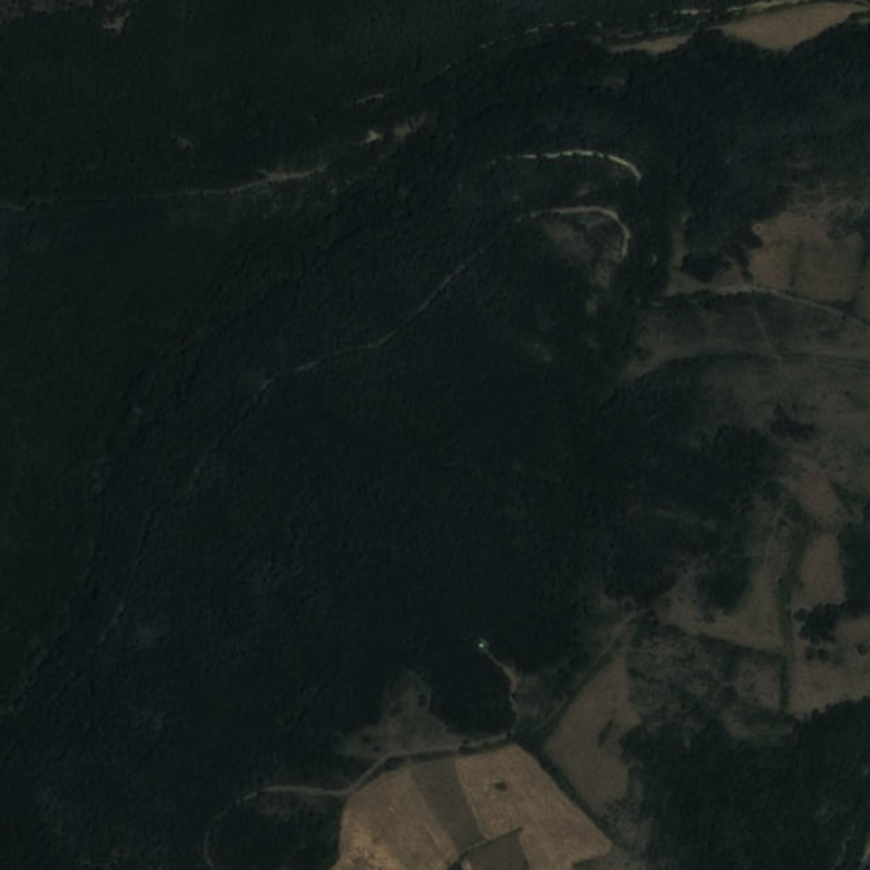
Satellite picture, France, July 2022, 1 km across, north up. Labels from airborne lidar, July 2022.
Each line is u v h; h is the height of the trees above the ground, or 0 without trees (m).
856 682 0
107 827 8
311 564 16
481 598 10
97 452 21
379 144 13
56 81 17
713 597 9
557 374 12
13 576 11
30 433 10
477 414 11
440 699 8
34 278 10
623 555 8
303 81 15
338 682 11
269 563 17
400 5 10
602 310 9
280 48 18
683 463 7
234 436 12
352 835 0
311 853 9
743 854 16
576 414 15
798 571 0
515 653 13
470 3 10
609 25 12
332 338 11
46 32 13
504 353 8
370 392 13
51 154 17
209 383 15
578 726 0
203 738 11
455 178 10
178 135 19
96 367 15
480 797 0
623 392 11
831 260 0
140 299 16
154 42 19
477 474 8
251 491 12
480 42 19
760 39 0
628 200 11
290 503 14
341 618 10
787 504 0
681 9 11
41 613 7
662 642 0
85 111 17
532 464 11
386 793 0
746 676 0
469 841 0
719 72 20
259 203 8
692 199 13
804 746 13
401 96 11
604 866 0
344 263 15
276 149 14
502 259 11
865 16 7
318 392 11
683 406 11
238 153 16
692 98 13
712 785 18
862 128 8
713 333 0
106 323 12
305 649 11
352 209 15
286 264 11
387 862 0
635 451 11
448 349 8
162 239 8
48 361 13
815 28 0
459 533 8
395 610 10
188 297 14
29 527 11
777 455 0
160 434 18
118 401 14
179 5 14
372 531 15
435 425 8
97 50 22
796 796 14
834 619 11
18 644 11
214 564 13
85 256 11
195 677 13
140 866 9
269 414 12
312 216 13
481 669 10
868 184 0
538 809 0
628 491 8
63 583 20
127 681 12
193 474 10
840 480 0
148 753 9
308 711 10
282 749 13
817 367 0
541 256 6
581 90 19
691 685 0
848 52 15
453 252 8
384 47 10
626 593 8
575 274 9
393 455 11
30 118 18
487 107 10
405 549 13
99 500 22
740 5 17
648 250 13
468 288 7
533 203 7
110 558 17
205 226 6
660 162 7
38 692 17
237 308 14
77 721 13
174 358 21
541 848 0
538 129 12
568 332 11
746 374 0
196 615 14
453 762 0
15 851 18
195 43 16
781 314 0
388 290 12
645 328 0
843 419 0
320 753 9
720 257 8
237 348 13
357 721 11
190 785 11
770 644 0
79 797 9
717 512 9
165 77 20
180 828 8
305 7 15
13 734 14
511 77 15
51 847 11
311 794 0
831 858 22
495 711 10
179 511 14
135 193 9
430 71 19
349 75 9
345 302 10
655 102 19
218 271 12
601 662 0
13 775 11
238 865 6
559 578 7
